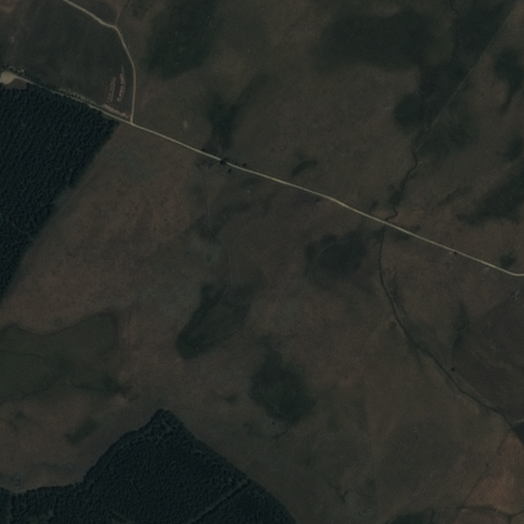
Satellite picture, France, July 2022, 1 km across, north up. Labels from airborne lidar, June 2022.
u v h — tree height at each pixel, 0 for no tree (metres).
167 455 17
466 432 0
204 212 0
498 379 0
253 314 0
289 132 0
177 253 0
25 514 16
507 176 0
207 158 0
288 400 0
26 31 0
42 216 20
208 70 0
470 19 0
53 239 0
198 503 21
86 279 0
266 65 0
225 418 0
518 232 0
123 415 0
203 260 0
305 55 0
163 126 0
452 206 0
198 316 0
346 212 0
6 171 18
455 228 0
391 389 0
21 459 0
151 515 20
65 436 0
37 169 18
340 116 0
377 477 0
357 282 0
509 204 0
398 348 0
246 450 0
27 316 0
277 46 0
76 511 17
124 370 0
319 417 0
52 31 0
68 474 0
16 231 19
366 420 0
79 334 0
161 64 0
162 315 0
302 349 0
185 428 14
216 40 0
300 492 0
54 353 0
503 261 0
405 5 0
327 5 0
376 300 0
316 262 0
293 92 0
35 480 0
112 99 0
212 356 0
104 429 0
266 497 15
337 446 0
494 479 0
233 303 0
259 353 0
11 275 21
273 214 0
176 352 0
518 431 0
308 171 0
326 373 0
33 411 0
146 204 0
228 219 0
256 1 0
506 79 0
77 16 0
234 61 0
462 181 0
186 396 0
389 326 0
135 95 0
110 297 0
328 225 0
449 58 0
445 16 0
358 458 0
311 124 0
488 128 0
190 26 0
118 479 19
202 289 0
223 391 0
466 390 0
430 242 0
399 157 0
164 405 0
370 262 0
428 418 0
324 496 0
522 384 0
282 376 0
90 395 0
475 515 0
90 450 0
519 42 0
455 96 0
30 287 0
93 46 0
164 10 0
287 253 0
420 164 0
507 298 0
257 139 0
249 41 0
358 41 0
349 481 0
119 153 0
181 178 0
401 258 0
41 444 0
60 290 0
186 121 0
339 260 0
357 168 0
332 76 0
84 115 19
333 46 0
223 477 21
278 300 0
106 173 0
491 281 0
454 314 0
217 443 0
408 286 0
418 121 0
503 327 0
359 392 0
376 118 0
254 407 0
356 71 0
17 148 17
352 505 0
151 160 0
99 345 0
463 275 0
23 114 19
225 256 0
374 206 0
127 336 0
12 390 0
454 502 0
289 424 0
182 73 0
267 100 0
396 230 0
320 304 0
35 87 17
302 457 0
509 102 0
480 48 0
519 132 0
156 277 0
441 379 0
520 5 0
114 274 0
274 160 0
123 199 0
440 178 0
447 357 0
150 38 0
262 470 0
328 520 0
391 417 0
